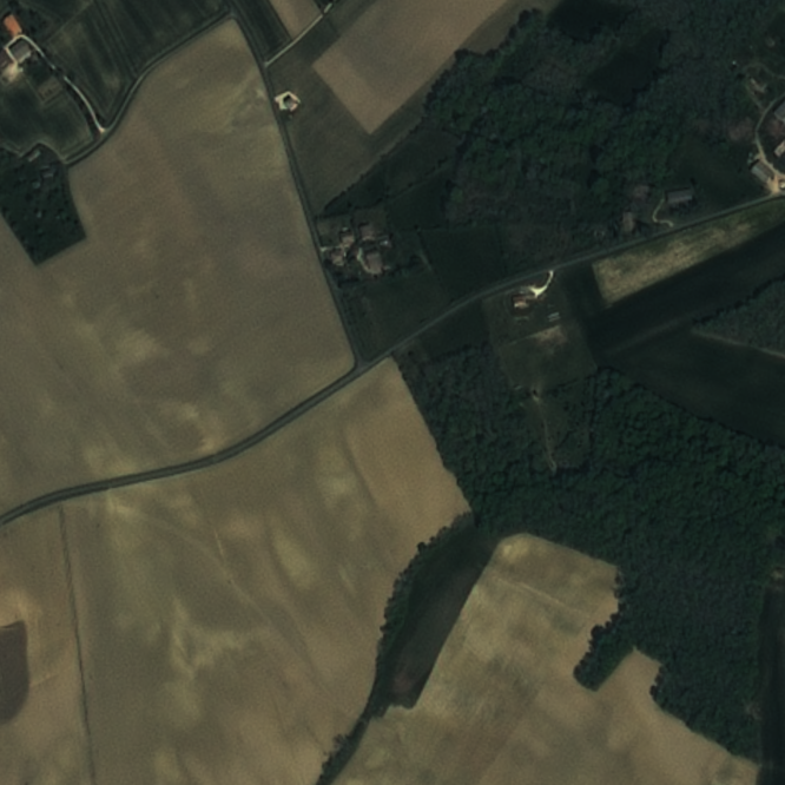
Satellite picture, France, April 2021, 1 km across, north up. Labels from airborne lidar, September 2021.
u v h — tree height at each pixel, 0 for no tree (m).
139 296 0
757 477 18
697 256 0
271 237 0
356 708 0
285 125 0
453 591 0
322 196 0
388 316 0
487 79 22
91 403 0
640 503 23
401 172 0
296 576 0
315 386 0
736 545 25
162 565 0
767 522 27
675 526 21
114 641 0
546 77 11
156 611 0
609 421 15
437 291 0
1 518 0
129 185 0
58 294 0
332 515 0
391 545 0
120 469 0
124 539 0
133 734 0
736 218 0
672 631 20
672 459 19
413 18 0
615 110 21
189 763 0
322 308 0
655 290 0
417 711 0
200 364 0
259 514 0
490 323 0
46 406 0
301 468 0
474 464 22
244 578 0
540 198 6
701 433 14
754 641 19
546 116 24
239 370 0
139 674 0
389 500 0
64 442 0
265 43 0
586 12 0
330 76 0
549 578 0
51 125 0
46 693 0
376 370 0
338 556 0
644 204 14
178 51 0
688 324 0
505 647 0
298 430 0
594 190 17
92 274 0
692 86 18
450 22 0
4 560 0
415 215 0
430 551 12
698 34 19
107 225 0
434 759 0
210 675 0
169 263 0
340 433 0
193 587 0
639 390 12
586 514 18
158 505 0
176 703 0
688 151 0
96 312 0
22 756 0
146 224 0
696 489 19
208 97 0
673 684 19
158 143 0
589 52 17
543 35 17
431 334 0
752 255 0
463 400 21
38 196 14
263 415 0
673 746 0
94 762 0
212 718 0
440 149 0
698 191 14
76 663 0
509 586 0
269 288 0
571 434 7
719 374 0
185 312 0
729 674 21
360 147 0
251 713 0
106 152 0
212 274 0
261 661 0
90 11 0
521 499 27
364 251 9
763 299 15
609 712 0
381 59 0
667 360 0
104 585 0
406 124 0
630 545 16
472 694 0
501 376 14
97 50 0
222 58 0
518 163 18
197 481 0
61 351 0
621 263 0
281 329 0
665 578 16
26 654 0
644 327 0
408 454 0
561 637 0
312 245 0
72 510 0
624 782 0
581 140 27
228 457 0
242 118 0
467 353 13
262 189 0
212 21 0
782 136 0
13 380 0
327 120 0
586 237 7
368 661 0
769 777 0
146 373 0
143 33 0
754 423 0
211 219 0
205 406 0
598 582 0
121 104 0
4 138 0
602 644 23
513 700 0
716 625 17
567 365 0
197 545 0
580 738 0
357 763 0
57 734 0
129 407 0
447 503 0
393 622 11
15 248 0
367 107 0
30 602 0
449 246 0
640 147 26
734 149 0
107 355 0
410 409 0
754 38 14
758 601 17
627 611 16
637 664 0
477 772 0
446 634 0
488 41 0
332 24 0
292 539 0
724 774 0
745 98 19
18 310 0
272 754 0
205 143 0
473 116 22
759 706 0
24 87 0
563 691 0
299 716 0
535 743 0
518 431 20
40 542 0
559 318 0
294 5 0
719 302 0
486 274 0
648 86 9
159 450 0
